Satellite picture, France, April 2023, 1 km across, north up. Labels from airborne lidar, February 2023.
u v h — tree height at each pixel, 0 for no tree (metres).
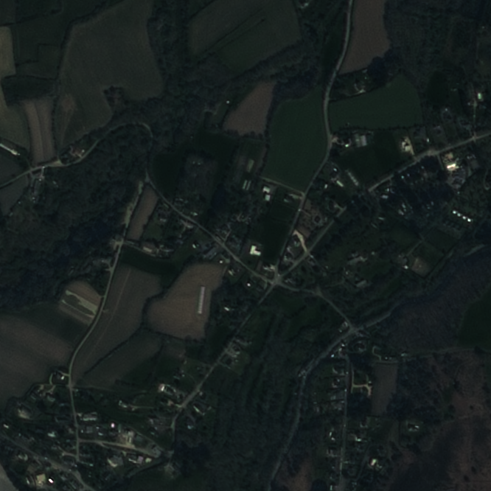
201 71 8
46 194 10
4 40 0
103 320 0
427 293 18
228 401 16
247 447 24
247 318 8
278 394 10
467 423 0
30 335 0
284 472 0
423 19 19
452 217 0
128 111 9
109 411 0
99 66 0
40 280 14
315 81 13
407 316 21
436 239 0
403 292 11
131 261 0
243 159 0
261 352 7
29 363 0
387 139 0
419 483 0
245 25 0
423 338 16
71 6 0
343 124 0
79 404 0
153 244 10
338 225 13
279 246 0
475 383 0
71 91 0
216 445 17
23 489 23
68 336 0
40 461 0
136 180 0
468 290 18
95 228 0
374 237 0
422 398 18
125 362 0
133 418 0
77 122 0
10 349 0
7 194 0
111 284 0
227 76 12
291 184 0
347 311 6
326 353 11
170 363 0
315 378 8
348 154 0
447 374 13
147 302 7
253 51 0
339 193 0
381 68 24
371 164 0
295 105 0
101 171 17
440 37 7
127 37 0
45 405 11
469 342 0
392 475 6
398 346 15
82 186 22
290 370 19
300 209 0
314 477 0
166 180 0
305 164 0
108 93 9
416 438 0
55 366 0
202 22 0
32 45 0
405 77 12
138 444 0
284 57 14
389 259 13
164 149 10
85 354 0
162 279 0
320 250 0
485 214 14
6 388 0
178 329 0
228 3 0
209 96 17
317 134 0
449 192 25
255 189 13
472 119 11
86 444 0
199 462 25
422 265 0
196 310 0
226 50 0
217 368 0
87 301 0
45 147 0
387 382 0
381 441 0
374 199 11
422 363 12
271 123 9
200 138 0
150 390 0
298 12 9
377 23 0
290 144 0
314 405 9
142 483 0
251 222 15
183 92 8
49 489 0
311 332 11
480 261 21
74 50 0
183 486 0
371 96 0
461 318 15
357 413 16
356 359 18
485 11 14
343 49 9
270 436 23
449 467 0
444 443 0
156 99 10
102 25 0
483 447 0
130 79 0
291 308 0
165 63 8
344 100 11
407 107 0
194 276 0
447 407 0
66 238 9
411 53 22
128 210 0
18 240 15
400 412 17
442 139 0
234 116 0
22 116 0
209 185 12
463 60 0
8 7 0
